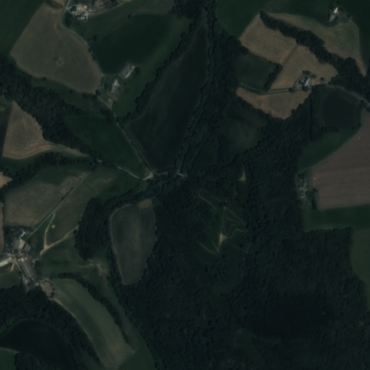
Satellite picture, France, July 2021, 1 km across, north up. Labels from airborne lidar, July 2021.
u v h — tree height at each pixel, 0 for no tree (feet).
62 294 0
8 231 21
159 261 81
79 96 0
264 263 58
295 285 57
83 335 75
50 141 52
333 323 84
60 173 0
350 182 0
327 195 0
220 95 56
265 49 0
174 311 58
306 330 71
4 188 29
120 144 0
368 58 0
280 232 66
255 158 51
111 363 0
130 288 66
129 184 0
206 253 0
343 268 76
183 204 50
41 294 68
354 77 63
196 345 109
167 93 0
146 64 0
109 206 61
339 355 68
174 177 58
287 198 57
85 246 27
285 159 50
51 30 0
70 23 39
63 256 0
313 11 0
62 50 0
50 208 0
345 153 0
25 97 50
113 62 0
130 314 72
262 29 0
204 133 63
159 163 0
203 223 30
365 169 0
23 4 0
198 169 31
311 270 32
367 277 0
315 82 0
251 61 0
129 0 0
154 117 0
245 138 0
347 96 0
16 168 0
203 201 35
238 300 60
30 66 0
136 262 0
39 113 57
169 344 112
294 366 60
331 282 64
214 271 57
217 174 83
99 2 0
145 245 0
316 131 76
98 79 0
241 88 29
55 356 0
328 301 69
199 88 0
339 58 28
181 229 44
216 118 70
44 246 0
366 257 0
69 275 66
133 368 0
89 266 0
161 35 0
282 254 48
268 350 47
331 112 0
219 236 0
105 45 0
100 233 69
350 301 90
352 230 61
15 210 0
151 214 0
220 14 0
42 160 34
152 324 84
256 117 0
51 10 0
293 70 0
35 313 26
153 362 0
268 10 0
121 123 64
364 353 52
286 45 0
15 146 0
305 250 41
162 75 64
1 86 30
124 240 0
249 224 59
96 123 0
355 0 0
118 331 0
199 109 53
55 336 0
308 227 0
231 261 0
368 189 0
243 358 62
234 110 56
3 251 0
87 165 0
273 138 69
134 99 0
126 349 0
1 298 111
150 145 0
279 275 42
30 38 0
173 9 35
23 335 0
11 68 64
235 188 86
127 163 0
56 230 0
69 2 0
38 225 0
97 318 0
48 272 0
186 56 0
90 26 0
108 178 0
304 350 41
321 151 0
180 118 0
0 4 0
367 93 51
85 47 0
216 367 100
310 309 63
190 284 60
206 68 0
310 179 0
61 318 85
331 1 0
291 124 71
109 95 0
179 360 98
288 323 94
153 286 86
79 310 0
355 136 0
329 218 0
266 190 60
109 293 0
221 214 0
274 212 60
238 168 40
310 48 88
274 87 0
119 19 0
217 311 27
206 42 0
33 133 0
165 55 0
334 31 0
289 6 0
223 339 93
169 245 83
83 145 60
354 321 80
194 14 51
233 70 75
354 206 0
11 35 0
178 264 63
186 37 70
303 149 42
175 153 0
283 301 62
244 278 24
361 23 0
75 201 0
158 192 40
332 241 75
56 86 0
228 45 66
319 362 31
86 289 37
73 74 0
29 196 0
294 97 0
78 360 74
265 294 46
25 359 96
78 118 0
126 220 0
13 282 0
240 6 0
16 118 0
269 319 92
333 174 0
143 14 0
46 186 0
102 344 0
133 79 0
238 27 0
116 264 41
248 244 27
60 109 52
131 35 0
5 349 0
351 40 0
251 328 66
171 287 56
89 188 0
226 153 46
